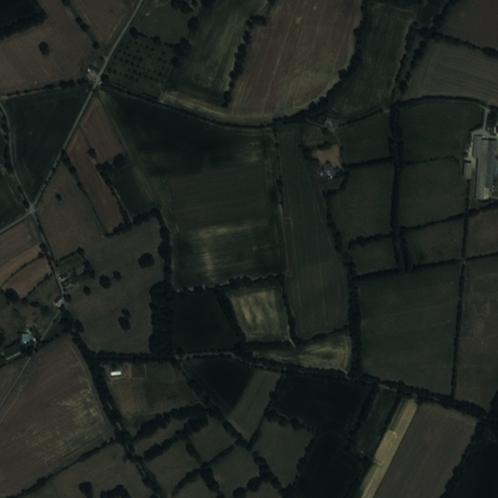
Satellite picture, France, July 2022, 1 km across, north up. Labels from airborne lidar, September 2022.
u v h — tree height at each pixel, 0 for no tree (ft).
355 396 0
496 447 0
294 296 0
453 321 0
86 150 0
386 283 0
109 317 0
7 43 0
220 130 0
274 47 0
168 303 34
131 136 0
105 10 0
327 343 0
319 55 0
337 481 0
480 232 0
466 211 20
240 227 0
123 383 0
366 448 0
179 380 0
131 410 0
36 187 0
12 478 0
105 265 0
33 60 0
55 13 0
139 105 0
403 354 0
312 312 0
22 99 0
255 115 0
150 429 71
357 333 44
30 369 0
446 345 0
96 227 0
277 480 37
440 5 0
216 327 0
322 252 0
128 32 0
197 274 0
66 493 0
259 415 0
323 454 0
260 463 34
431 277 0
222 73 0
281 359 0
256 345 40
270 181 0
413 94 0
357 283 36
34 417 0
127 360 26
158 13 0
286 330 0
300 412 0
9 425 0
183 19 0
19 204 0
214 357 26
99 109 0
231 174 0
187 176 0
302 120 56
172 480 0
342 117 0
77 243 0
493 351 0
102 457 0
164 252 70
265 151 0
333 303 0
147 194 0
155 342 46
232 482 0
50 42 0
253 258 0
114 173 0
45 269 0
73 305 0
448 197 0
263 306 0
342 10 0
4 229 0
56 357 0
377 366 0
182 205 0
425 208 0
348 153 0
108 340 0
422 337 0
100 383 32
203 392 42
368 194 0
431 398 39
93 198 0
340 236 43
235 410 0
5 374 0
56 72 0
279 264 0
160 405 0
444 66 0
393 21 0
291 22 0
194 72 0
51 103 0
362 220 0
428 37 63
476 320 0
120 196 0
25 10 0
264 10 0
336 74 0
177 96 0
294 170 0
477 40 0
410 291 0
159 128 0
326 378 31
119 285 0
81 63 0
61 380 0
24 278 0
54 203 0
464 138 0
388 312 0
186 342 0
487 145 0
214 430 0
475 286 0
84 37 0
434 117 0
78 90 0
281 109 0
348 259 50
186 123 0
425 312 0
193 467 0
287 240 0
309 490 0
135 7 0
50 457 0
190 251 0
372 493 0
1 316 0
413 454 0
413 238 0
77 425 0
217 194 0
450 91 0
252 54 0
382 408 0
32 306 22
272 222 0
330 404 0
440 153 0
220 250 0
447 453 0
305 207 0
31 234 0
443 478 0
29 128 0
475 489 0
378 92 0
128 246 0
